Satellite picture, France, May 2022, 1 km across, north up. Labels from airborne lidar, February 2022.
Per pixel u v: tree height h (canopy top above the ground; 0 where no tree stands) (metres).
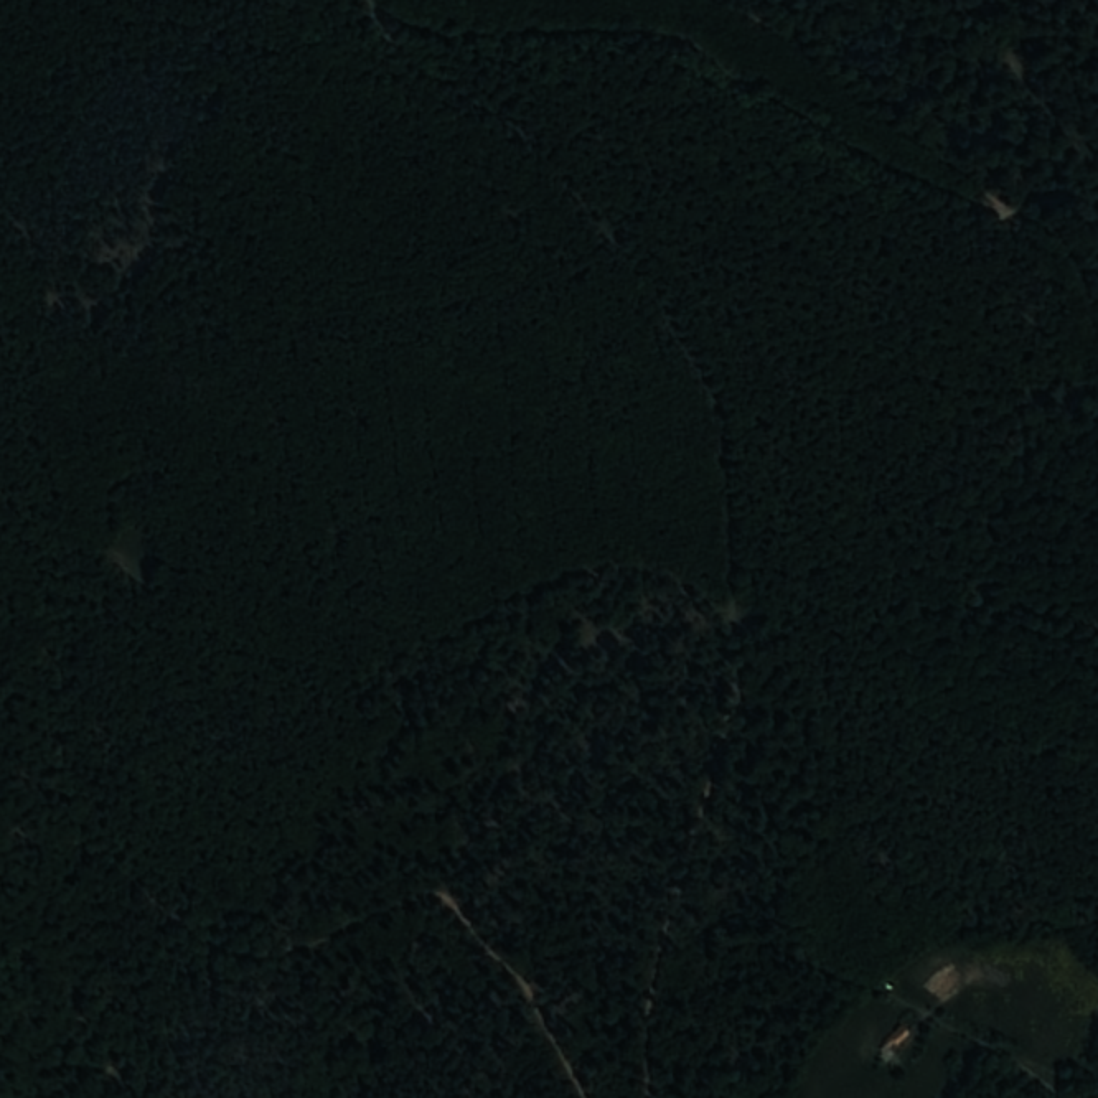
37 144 27
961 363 24
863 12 29
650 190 24
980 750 26
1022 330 23
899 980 0
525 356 20
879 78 37
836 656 21
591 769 34
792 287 26
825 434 24
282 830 23
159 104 25
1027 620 28
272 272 17
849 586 24
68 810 28
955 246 24
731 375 21
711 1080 30
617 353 19
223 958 31
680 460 19
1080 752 24
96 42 21
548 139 24
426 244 18
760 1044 7
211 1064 23
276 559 17
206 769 25
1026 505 30
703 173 24
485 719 31
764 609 21
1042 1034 0
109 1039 30
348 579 20
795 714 19
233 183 20
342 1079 28
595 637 0
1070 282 24
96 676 29
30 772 25
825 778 19
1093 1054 16
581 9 12
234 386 21
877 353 25
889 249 27
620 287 21
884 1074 0
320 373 19
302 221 16
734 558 14
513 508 20
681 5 14
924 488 25
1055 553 27
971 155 32
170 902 25
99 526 21
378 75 23
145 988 28
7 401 18
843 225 26
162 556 15
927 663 24
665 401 16
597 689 32
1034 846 20
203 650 22
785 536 20
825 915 17
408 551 19
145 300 20
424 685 33
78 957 28
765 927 27
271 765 24
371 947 16
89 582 21
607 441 17
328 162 21
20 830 28
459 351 19
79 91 23
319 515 16
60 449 23
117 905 27
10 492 24
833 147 20
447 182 18
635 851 38
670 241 23
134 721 23
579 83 26
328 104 19
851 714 28
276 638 19
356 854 38
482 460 19
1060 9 23
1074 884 24
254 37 22
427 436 18
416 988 6
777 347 23
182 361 21
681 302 24
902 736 23
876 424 21
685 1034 6
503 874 37
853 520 23
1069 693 27
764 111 25
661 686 32
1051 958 0
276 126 20
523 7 17
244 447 17
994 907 26
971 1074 19
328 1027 24
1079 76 27
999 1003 0
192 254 19
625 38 23
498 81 25
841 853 15
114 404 21
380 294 17
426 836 11
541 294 20
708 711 29
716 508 18
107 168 23
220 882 23
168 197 21
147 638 23
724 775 34
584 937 32
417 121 22
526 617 33
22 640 25
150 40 22
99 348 19
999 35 27
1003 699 24
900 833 19
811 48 28
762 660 20
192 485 21
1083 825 23
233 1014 21
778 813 29
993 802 20
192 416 20
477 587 22
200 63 20
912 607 27
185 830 23
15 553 25
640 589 30
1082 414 29
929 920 15
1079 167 30
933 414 26
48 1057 30
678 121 26
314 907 35
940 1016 7
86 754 26
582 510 22
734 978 6
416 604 24
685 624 28
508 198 19
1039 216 30
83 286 21
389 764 32
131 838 25
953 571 27
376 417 20
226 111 23
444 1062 26
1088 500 30
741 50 13
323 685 20
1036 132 28
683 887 31
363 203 14
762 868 33
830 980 25
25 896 24
